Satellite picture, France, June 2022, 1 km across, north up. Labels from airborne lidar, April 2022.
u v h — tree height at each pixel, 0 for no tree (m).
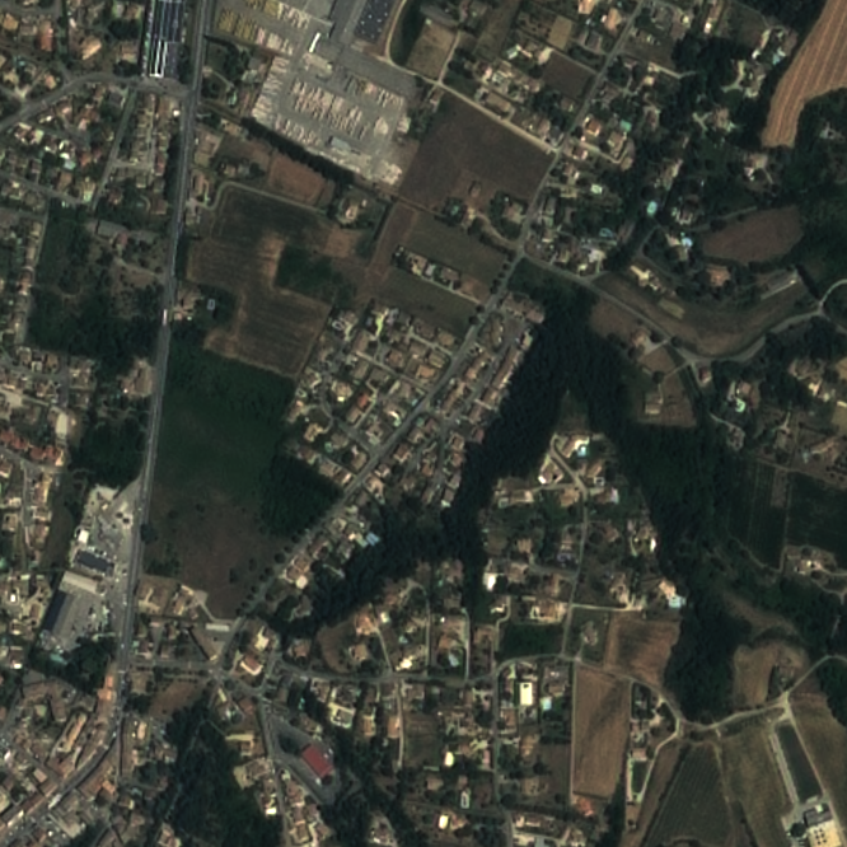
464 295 0
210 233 0
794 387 10
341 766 7
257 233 0
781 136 0
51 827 0
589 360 16
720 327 0
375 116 0
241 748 0
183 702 0
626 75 6
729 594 0
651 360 0
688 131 16
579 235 12
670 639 0
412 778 8
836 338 15
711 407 8
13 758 0
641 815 0
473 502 16
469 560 19
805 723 0
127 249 11
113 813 10
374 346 7
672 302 0
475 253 0
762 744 0
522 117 0
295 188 0
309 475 15
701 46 17
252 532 0
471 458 17
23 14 0
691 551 12
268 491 8
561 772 0
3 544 11
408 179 0
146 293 7
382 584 11
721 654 15
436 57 0
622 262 17
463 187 0
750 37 0
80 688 6
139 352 13
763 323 0
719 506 14
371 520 14
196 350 5
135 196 11
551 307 11
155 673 8
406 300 0
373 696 0
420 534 7
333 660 0
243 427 0
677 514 24
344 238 0
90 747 0
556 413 8
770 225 0
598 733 0
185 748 7
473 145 0
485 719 12
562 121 9
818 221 6
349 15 0
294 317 0
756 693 0
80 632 0
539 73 9
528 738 0
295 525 9
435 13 0
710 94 15
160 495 0
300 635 10
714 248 0
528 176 0
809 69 0
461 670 13
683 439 6
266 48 0
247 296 0
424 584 0
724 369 17
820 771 0
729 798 0
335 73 0
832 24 0
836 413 0
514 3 0
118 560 0
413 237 0
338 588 18
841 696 8
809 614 8
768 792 0
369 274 0
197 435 0
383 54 0
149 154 0
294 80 0
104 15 7
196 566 0
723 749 0
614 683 0
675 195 7
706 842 0
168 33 0
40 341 7
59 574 8
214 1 0
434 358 0
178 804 8
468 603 14
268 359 0
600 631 0
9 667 0
